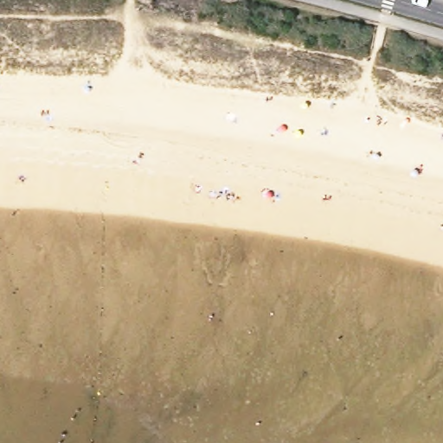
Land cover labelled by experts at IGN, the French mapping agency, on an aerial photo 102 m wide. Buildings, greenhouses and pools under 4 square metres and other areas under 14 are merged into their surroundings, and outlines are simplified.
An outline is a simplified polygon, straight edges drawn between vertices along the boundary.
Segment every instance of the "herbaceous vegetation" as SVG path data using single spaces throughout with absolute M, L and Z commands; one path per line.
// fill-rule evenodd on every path
M 443 45 L 429 42 L 427 38 L 417 38 L 405 29 L 386 29 L 377 57 L 381 59 L 382 64 L 388 64 L 403 73 L 443 76 Z
M 305 47 L 310 48 L 331 48 L 339 54 L 355 55 L 358 59 L 365 59 L 370 55 L 376 29 L 372 22 L 365 21 L 362 17 L 318 16 L 306 10 L 284 7 L 280 5 L 280 0 L 201 0 L 197 17 L 201 21 L 218 22 L 221 29 L 254 33 L 263 38 L 294 45 L 303 43 Z

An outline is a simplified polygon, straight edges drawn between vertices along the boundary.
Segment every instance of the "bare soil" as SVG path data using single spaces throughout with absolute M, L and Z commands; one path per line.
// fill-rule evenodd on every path
M 201 0 L 0 0 L 0 443 L 443 443 L 443 76 L 403 73 L 388 64 L 382 64 L 381 59 L 377 57 L 376 64 L 365 59 L 358 59 L 355 55 L 339 54 L 331 48 L 310 48 L 305 47 L 303 43 L 294 45 L 263 38 L 254 33 L 221 29 L 218 22 L 201 21 L 197 17 Z

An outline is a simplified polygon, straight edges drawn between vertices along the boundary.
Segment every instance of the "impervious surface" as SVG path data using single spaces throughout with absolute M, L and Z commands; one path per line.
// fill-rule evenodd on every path
M 280 0 L 280 5 L 284 7 L 306 10 L 318 16 L 362 17 L 365 21 L 372 22 L 376 29 L 379 26 L 386 29 L 405 29 L 417 38 L 427 38 L 429 42 L 443 45 L 443 0 Z

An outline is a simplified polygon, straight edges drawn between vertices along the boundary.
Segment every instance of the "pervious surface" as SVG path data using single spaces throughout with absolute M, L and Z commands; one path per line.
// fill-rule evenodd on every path
M 370 55 L 365 59 L 376 64 L 377 57 L 386 29 L 379 26 L 376 29 Z

